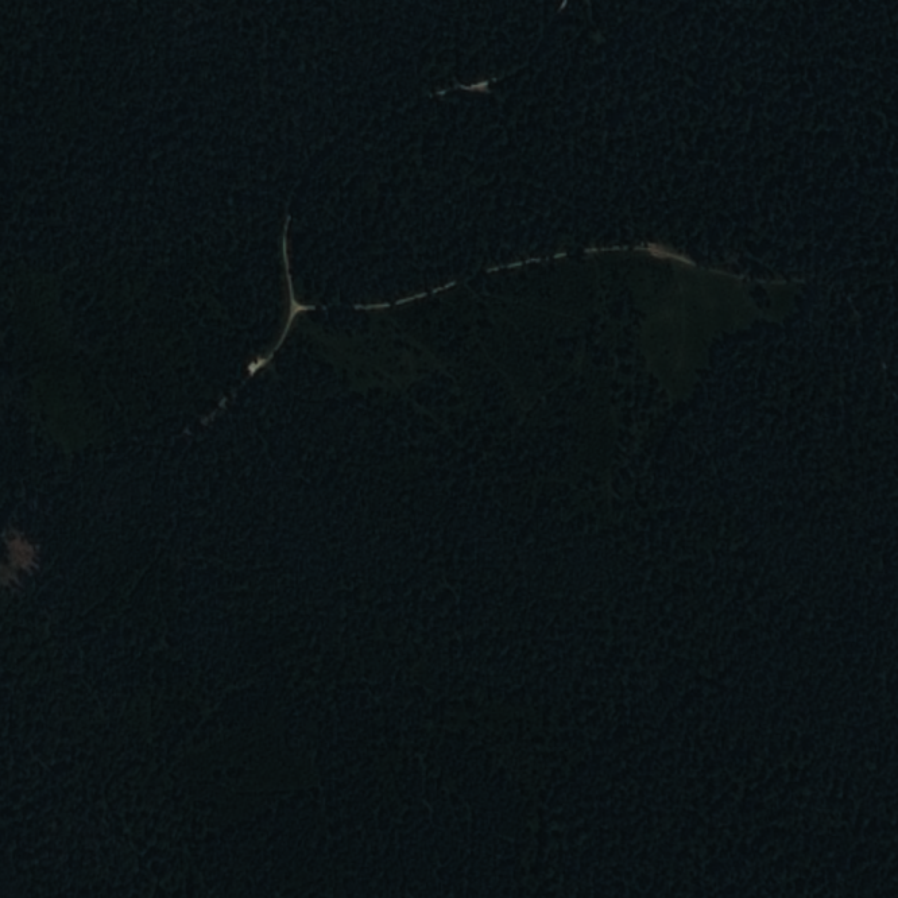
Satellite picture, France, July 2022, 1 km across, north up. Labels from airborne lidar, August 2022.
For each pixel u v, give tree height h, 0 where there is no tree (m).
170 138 22
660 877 15
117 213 21
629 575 12
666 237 25
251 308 15
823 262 30
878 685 30
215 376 12
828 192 26
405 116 23
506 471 16
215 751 9
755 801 10
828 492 26
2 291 9
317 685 7
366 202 17
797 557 29
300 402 12
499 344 6
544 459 13
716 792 21
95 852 18
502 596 19
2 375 29
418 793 15
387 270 17
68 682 18
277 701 14
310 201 21
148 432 17
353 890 19
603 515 7
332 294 19
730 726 29
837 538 25
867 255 24
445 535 13
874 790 21
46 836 19
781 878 20
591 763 13
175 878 21
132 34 15
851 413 23
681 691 11
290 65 20
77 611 14
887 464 26
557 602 16
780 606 25
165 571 14
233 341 15
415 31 20
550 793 7
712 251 14
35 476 15
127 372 9
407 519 13
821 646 31
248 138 20
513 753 11
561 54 28
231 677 18
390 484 12
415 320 7
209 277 7
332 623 20
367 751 16
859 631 31
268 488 16
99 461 12
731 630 14
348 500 14
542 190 22
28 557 0
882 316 26
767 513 25
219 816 13
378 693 16
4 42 10
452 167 17
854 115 28
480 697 10
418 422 13
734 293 0
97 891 26
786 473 23
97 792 22
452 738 19
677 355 0
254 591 15
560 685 22
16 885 28
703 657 24
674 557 19
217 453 17
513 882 24
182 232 15
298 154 21
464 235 16
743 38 27
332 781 17
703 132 8
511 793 21
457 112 22
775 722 31
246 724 9
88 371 6
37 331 8
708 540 22
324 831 10
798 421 16
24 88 16
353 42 21
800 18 16
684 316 0
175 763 9
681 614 23
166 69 19
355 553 16
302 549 20
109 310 11
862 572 26
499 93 13
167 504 12
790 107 28
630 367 24
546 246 20
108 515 11
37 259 20
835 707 30
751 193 26
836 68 20
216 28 22
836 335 18
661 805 26
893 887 27
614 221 22
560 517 13
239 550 16
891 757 28
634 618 21
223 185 13
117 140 18
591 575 16
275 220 21
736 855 16
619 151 28
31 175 17
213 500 22
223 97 20
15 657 24
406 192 18
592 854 23
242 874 11
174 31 20
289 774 8
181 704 8
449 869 19
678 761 29
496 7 19
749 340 18
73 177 15
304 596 19
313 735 20
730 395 18
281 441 20
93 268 17
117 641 20
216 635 26
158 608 13
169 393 11
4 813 15
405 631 7
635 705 18
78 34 15
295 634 15
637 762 11
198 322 10
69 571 24
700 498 22
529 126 15
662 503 16
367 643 13
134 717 8
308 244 22
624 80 20
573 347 14
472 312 7
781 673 28
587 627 18
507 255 30
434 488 18
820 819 25
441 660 15
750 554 21
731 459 24
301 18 7
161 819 24
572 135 17
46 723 25
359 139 19
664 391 22
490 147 18
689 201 15
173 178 22
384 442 17
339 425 12
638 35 28
